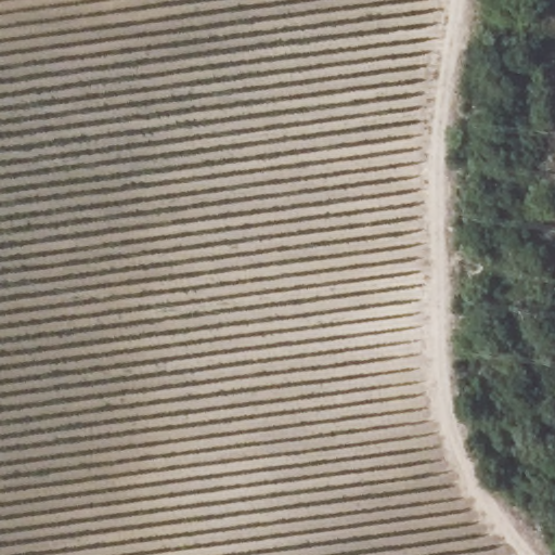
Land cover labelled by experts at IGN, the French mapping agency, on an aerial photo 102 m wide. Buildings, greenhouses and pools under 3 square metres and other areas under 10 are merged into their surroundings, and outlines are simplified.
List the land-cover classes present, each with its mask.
<instances>
[{"label":"vineyard","instance_id":"1","mask_svg":"<svg viewBox=\"0 0 555 555\"><path fill-rule=\"evenodd\" d=\"M475 26H479L477 0H0V555H551L548 546L544 544L542 527L538 520H531L520 507L503 505V501L496 494H490L481 488L475 475V462L468 457L466 451L468 429L457 421L453 410L457 386L451 382L453 291L449 273L457 269L460 254L451 247L455 230L453 221L449 219V202L455 184V171L447 165V128L462 117V98L457 91L462 72L460 59L464 56V50L470 39L468 33Z\"/></svg>","mask_w":555,"mask_h":555},{"label":"deciduous trees","instance_id":"2","mask_svg":"<svg viewBox=\"0 0 555 555\"><path fill-rule=\"evenodd\" d=\"M479 26H475L468 33L470 39L464 50V56L460 59L462 72L457 91L462 98V117L447 128V165L455 171V184L449 202V219L453 221L455 230L451 247L460 254L457 269L449 273L453 291L451 382L457 386L453 410L457 421L468 429L466 451L468 457L475 462V475L481 488L490 494H496L503 501V505L520 507L531 520H538L542 527L544 544L548 546L551 555H555V221H551V184H542L544 180L538 173L546 156L555 152V128L551 126V113L546 108L548 87L544 82L542 69L527 59V54L540 46L544 37L538 30H527L525 26L542 13V9L546 7L544 0H477Z\"/></svg>","mask_w":555,"mask_h":555},{"label":"herbaceous vegetation","instance_id":"3","mask_svg":"<svg viewBox=\"0 0 555 555\"><path fill-rule=\"evenodd\" d=\"M546 7L542 9V13L525 26L527 30H538L544 37L540 46L527 54V59L542 69L544 82L548 87L546 108L551 113V126L555 128V0H544ZM544 180L542 184H551V221H555V152L546 156L538 173Z\"/></svg>","mask_w":555,"mask_h":555}]
</instances>
